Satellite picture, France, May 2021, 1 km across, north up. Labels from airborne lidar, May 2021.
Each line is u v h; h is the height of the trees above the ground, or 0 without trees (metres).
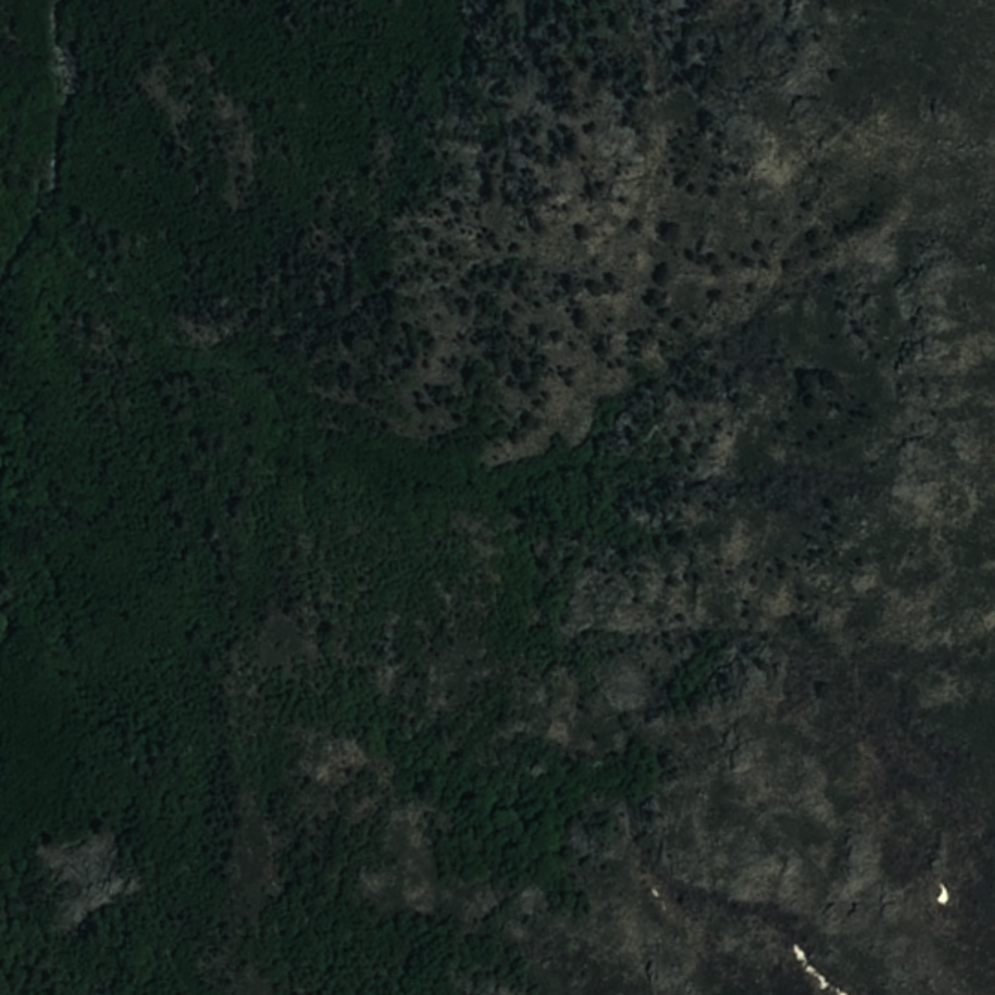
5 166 21
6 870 13
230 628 7
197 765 10
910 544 0
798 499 13
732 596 0
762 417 0
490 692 8
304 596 11
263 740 9
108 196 12
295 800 6
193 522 9
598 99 0
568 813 16
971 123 0
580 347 13
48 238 16
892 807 0
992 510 0
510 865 19
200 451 9
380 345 12
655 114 0
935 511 0
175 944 8
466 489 12
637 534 9
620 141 0
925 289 0
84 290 10
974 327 0
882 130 0
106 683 22
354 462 18
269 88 13
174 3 9
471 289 15
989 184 0
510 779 6
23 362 24
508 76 6
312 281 16
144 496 10
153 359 12
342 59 13
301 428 19
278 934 13
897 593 0
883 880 0
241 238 13
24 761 20
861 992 0
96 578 22
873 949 0
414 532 12
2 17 21
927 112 0
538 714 0
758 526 0
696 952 0
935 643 0
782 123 0
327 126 11
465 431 9
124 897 8
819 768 0
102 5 18
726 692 9
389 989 13
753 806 0
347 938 11
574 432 0
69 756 18
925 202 0
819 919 0
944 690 0
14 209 16
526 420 19
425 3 12
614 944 0
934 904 0
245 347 15
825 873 0
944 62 0
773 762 0
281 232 11
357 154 8
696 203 0
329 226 6
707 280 0
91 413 8
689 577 8
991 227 0
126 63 14
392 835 0
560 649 10
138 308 18
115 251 13
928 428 0
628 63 15
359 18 14
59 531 27
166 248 9
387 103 6
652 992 0
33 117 21
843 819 0
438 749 14
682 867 0
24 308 26
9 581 22
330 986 14
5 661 22
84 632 27
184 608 24
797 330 0
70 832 9
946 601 0
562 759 8
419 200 10
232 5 12
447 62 7
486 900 0
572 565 10
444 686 0
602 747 0
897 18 0
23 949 12
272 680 8
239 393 7
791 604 0
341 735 8
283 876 9
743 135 0
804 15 0
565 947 0
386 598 12
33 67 19
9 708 16
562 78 15
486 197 12
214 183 12
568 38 18
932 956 0
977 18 0
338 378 9
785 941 0
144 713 21
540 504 16
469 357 6
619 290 13
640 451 14
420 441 8
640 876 0
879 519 0
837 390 16
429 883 0
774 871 0
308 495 10
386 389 11
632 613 0
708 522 0
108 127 10
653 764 13
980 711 0
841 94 0
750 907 6
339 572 8
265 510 12
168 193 8
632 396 8
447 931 8
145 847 19
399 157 7
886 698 0
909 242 0
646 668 7
